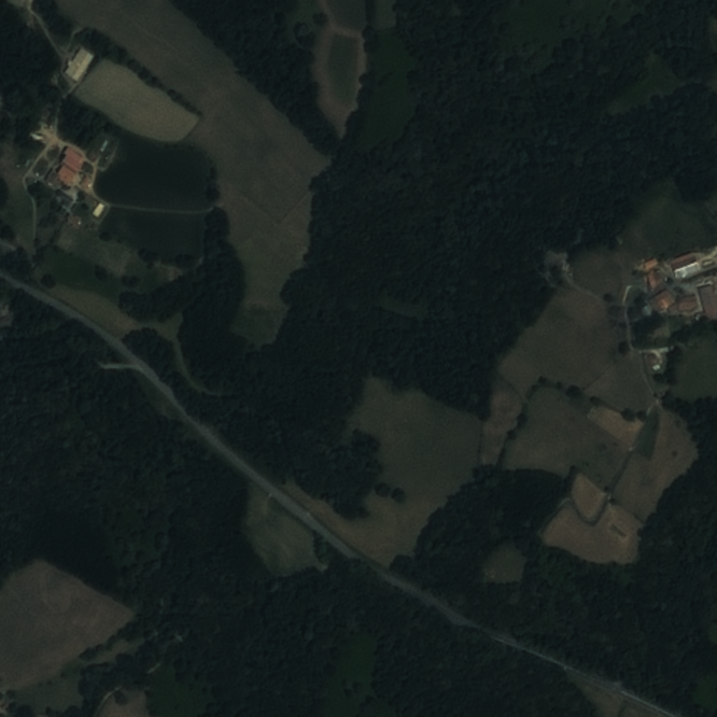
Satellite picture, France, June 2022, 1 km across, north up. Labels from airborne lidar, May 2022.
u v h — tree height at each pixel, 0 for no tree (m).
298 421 23
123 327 0
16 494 15
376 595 23
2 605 0
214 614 17
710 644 16
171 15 0
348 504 25
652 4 7
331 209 26
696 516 21
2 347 22
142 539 13
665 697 21
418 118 12
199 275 12
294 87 17
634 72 28
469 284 19
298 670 17
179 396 18
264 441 31
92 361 19
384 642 17
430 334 29
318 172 0
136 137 0
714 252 0
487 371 21
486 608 15
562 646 20
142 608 19
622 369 0
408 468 0
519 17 0
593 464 0
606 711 0
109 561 20
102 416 26
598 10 0
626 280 0
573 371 0
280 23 25
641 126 32
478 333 26
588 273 0
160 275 0
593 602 23
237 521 7
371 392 0
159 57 0
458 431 0
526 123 21
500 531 26
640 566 8
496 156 31
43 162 0
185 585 30
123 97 0
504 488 16
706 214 0
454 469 0
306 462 27
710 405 17
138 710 0
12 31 16
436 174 20
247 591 27
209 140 0
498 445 0
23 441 21
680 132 27
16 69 24
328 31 0
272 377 18
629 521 0
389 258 24
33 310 24
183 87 0
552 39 0
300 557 0
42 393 22
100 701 6
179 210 0
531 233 22
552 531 0
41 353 21
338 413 25
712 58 21
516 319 14
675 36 25
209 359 16
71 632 0
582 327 0
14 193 0
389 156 10
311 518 0
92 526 20
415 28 19
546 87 22
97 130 14
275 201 0
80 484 22
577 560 10
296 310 18
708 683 0
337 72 0
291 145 0
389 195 20
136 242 0
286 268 0
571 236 23
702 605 13
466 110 18
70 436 20
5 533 19
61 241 0
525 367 0
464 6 19
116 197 0
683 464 0
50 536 23
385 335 26
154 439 23
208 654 24
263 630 24
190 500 23
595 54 15
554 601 28
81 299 0
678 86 0
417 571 26
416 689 19
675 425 0
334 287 27
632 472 0
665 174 9
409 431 0
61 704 0
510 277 12
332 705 0
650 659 21
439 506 0
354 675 0
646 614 28
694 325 7
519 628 28
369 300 19
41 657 0
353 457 24
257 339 0
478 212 13
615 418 0
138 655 7
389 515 0
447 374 29
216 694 17
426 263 20
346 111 0
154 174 0
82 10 0
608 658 21
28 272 22
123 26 0
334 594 23
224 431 23
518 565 0
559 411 0
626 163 26
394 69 0
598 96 19
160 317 12
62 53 0
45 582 0
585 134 35
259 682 20
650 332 19
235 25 25
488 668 24
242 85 0
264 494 0
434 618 23
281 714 18
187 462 28
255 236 0
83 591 0
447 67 26
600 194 26
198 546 26
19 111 36
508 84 22
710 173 23
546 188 18
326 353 22
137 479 33
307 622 23
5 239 23
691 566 26
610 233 17
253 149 0
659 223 0
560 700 23
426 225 20
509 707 9
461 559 23
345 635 16
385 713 0
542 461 0
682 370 0
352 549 0
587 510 0
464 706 14
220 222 22
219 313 15
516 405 0
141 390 13
